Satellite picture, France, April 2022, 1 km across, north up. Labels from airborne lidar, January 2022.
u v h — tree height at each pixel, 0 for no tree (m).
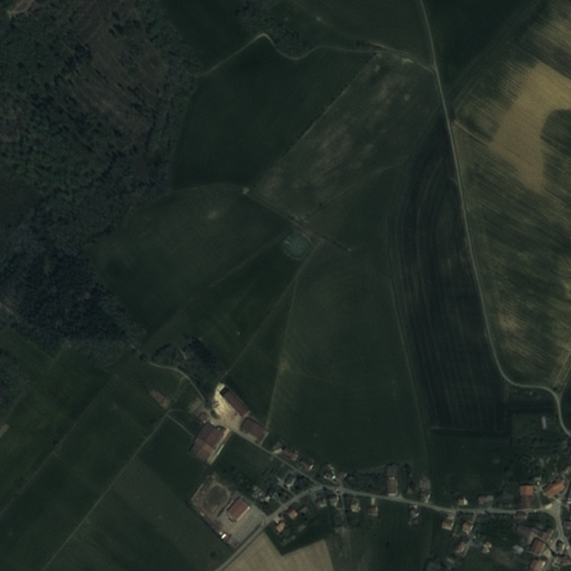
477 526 9
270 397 0
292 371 0
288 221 0
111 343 20
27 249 27
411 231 0
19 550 0
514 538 0
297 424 0
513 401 0
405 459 0
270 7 14
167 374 0
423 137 0
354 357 0
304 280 0
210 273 0
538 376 0
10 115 25
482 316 0
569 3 0
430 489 0
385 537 0
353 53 0
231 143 0
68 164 25
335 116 0
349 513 11
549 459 0
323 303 0
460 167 0
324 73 0
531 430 0
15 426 0
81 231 26
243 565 0
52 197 14
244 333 0
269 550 0
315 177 0
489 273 0
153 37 22
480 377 0
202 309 0
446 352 0
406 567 0
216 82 0
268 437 0
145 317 0
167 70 0
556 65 0
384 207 0
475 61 0
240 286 0
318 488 0
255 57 0
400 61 0
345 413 0
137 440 0
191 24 0
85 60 23
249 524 0
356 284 0
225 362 0
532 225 0
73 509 0
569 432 0
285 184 0
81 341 19
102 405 0
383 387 0
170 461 0
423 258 0
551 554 0
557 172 0
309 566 0
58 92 10
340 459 0
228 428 0
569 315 0
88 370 0
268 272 0
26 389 11
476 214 0
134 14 0
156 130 18
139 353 13
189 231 0
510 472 13
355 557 0
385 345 0
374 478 10
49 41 13
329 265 0
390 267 0
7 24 19
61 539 0
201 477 0
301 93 0
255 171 0
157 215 0
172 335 0
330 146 0
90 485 0
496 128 0
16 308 23
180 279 0
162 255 0
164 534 0
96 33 0
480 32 0
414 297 0
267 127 0
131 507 0
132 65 20
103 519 0
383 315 0
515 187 0
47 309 25
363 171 0
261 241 0
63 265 23
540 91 0
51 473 0
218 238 0
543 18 0
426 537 0
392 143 0
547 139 0
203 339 0
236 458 0
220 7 0
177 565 0
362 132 0
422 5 0
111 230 8
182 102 21
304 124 0
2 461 0
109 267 0
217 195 0
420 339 0
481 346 0
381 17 0
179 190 0
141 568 0
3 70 14
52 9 6
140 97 23
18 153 23
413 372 0
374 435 0
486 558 0
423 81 0
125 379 0
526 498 0
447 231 0
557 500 0
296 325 0
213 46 0
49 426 0
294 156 0
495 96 0
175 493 0
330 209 0
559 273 0
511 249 0
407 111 0
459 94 0
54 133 22
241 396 0
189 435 0
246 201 0
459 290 0
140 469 0
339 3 0
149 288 0
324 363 0
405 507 0
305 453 0
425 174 0
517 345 0
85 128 28
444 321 0
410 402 0
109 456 0
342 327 0
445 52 0
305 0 0
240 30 0
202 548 0
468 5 0
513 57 0
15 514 0
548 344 0
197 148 0
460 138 0
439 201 0
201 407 0
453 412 0
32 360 0
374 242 0
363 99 0
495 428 0
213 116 0
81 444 0
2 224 6
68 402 0
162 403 0
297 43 19
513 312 0
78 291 20
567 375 0
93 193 23
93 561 0
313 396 0
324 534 0
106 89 0
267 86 0
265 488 0
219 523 0
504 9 0
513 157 0
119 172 16
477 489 0
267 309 0
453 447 0
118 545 0
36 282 22
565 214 0
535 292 0
